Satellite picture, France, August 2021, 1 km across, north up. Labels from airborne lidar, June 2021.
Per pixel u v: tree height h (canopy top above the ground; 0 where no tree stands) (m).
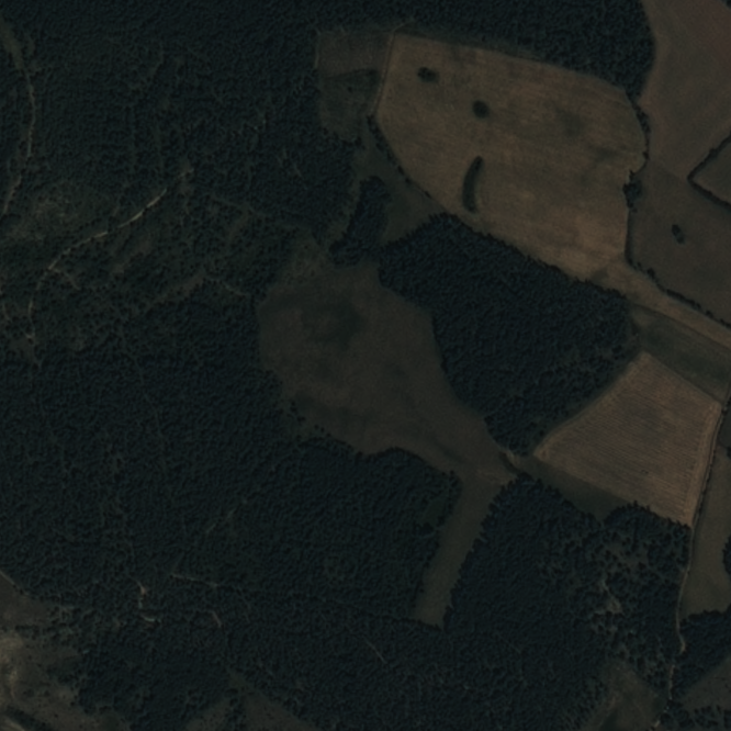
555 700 13
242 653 16
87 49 9
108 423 13
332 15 19
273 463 11
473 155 0
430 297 23
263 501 8
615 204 0
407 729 18
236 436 14
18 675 0
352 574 8
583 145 0
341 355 0
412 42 0
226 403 14
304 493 9
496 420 12
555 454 0
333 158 18
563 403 12
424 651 14
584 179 0
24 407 12
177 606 13
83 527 15
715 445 0
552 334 9
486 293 23
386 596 9
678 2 0
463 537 0
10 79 12
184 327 8
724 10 0
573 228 0
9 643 0
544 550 13
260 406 17
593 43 18
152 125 14
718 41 0
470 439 0
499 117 0
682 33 0
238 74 14
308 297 0
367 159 0
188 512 7
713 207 0
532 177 0
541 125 0
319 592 7
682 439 0
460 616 17
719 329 0
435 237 22
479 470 0
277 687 17
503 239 0
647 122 9
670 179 0
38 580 12
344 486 12
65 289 12
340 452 10
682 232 14
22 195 8
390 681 14
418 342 0
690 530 11
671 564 12
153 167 14
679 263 0
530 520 17
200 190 9
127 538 8
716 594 0
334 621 12
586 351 15
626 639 11
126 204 13
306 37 16
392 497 11
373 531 9
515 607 15
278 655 17
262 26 21
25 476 14
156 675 15
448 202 0
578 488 0
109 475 9
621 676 0
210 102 17
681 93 0
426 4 19
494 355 16
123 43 6
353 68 0
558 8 20
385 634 13
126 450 14
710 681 0
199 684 16
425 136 0
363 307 0
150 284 7
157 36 12
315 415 0
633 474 0
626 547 8
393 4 21
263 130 13
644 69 14
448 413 0
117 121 16
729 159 0
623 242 0
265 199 16
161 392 13
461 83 0
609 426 0
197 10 13
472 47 0
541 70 0
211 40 13
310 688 12
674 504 0
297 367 0
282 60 14
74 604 11
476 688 14
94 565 14
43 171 10
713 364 0
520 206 0
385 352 0
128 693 16
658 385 0
